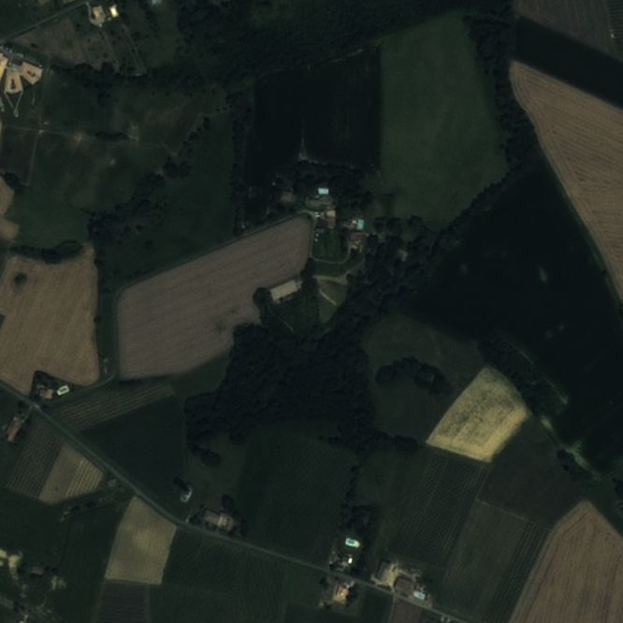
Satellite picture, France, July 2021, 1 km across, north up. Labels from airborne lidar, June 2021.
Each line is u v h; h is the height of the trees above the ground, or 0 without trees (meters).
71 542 0
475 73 0
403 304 23
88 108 0
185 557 0
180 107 0
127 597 0
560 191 0
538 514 0
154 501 0
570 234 0
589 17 0
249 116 16
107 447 0
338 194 13
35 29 0
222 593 0
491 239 0
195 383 0
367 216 0
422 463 0
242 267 0
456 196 0
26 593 0
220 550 0
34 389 6
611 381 0
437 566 0
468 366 0
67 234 0
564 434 0
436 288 0
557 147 0
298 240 0
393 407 0
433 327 0
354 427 18
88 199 0
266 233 0
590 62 0
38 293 0
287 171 0
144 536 0
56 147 0
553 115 0
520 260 0
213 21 26
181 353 0
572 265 0
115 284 0
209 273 0
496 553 0
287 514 0
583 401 0
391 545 0
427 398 0
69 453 0
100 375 0
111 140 6
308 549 0
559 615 0
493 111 0
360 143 0
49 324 0
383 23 10
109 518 0
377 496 0
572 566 0
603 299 0
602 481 0
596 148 0
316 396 20
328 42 8
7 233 0
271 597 0
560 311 0
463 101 0
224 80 12
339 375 29
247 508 0
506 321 0
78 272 0
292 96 0
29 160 0
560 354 0
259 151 0
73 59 0
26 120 0
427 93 0
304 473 0
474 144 0
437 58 0
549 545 0
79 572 0
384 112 0
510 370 10
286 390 25
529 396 10
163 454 0
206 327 0
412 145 0
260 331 19
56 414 0
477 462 0
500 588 0
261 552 0
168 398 0
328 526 0
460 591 0
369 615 0
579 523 0
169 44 0
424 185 0
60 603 0
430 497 0
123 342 0
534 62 0
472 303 0
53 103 0
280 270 0
